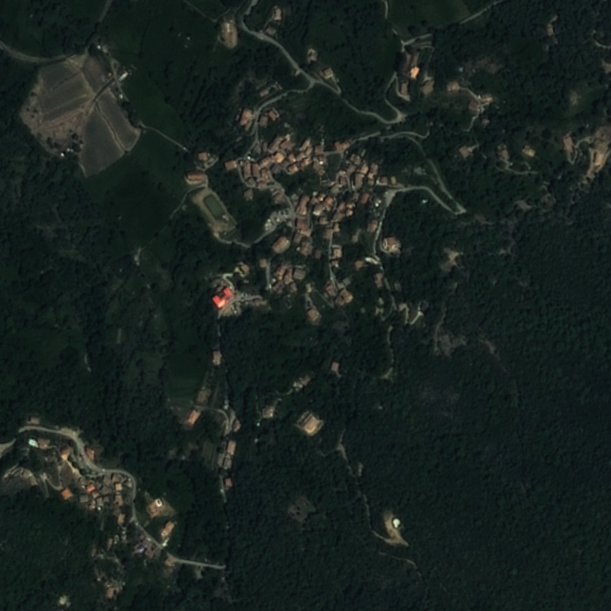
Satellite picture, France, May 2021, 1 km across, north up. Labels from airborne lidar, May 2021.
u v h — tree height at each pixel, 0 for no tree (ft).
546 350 25
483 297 26
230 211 33
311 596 36
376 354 50
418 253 33
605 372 26
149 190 0
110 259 35
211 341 39
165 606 39
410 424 39
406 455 36
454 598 34
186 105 28
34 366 32
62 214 44
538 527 36
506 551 29
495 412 41
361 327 20
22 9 0
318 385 34
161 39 0
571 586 38
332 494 55
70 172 35
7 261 32
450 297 46
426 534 23
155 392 34
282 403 31
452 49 25
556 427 24
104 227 18
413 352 25
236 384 52
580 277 24
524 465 24
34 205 46
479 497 24
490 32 23
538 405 25
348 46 36
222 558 59
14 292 19
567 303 30
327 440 35
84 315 23
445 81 35
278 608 43
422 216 39
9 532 51
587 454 27
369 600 37
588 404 26
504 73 24
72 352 39
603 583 29
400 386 35
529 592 29
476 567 27
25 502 46
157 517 21
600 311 29
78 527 50
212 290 28
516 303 25
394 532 0
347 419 24
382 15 53
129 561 70
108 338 44
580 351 23
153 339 23
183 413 0
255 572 43
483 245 24
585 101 0
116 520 28
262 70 33
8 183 26
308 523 42
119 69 0
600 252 20
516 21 51
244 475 34
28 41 0
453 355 24
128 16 0
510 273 37
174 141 0
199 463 28
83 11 0
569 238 20
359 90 23
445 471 35
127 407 60
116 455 28
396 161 30
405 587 38
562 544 29
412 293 31
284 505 29
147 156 0
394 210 37
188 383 0
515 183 31
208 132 28
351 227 37
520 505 51
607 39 38
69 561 39
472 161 19
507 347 21
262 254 49
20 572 30
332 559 42
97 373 44
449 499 56
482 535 23
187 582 69
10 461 44
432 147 44
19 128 45
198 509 72
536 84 40
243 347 45
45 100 0
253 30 36
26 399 59
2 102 82
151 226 0
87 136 0
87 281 45
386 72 0
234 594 29
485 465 20
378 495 28
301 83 32
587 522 39
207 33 0
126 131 0
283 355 24
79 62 0
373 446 27
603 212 39
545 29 41
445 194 30
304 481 65
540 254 23
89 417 76
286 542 52
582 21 38
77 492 30
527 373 27
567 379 30
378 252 23
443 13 0
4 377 23
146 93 0
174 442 25
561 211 64
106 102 0
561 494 27
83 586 18
